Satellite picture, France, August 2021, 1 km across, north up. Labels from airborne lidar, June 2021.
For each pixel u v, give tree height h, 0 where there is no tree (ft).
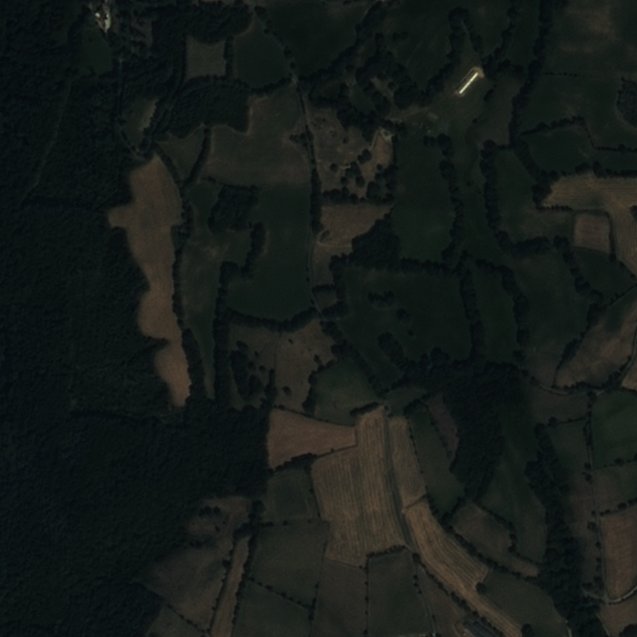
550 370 0
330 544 0
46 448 76
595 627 54
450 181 68
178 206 0
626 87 26
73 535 45
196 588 0
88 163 20
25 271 58
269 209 0
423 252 0
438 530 0
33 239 57
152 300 0
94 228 36
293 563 0
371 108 0
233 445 66
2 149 90
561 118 0
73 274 45
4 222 82
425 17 0
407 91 74
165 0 53
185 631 0
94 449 81
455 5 0
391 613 0
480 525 0
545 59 56
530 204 0
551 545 47
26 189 71
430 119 0
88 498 55
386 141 0
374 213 0
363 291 0
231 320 71
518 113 49
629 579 0
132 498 50
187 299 0
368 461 0
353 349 36
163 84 48
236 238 0
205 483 43
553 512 53
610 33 0
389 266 84
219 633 0
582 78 0
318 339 0
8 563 46
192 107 51
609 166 0
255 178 0
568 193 0
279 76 0
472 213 0
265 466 62
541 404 0
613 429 0
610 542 0
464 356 0
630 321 0
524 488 0
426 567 25
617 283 0
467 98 0
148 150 42
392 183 55
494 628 29
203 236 0
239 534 42
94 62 0
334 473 0
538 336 0
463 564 0
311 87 52
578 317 0
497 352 0
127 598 44
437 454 0
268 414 34
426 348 0
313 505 0
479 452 69
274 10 0
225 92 27
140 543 71
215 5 28
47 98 80
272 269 0
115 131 35
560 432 0
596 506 0
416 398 0
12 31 83
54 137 62
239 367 67
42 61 84
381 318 0
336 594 0
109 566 87
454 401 51
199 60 0
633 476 0
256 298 0
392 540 0
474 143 0
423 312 0
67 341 69
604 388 38
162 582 0
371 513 0
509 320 0
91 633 42
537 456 0
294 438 0
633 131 0
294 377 0
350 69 61
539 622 0
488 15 0
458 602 34
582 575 47
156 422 38
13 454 25
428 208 0
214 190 0
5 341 49
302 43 0
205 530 0
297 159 0
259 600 0
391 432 0
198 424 74
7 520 44
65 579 54
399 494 0
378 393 34
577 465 0
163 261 0
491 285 0
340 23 0
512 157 0
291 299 0
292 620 0
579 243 0
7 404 66
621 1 0
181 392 0
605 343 0
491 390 82
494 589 0
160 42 72
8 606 42
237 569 0
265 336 0
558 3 67
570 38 0
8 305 32
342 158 0
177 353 0
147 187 0
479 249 0
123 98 55
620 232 0
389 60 65
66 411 71
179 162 0
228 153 0
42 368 72
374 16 53
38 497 49
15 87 62
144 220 0
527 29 0
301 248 0
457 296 0
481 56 31
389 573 0
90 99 51
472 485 44
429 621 0
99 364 28
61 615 69
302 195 0
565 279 0
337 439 0
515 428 0
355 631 0
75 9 0
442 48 0
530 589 0
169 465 54
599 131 0
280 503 0
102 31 23
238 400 0
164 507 54
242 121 42
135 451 35
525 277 0
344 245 0
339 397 0
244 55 0
